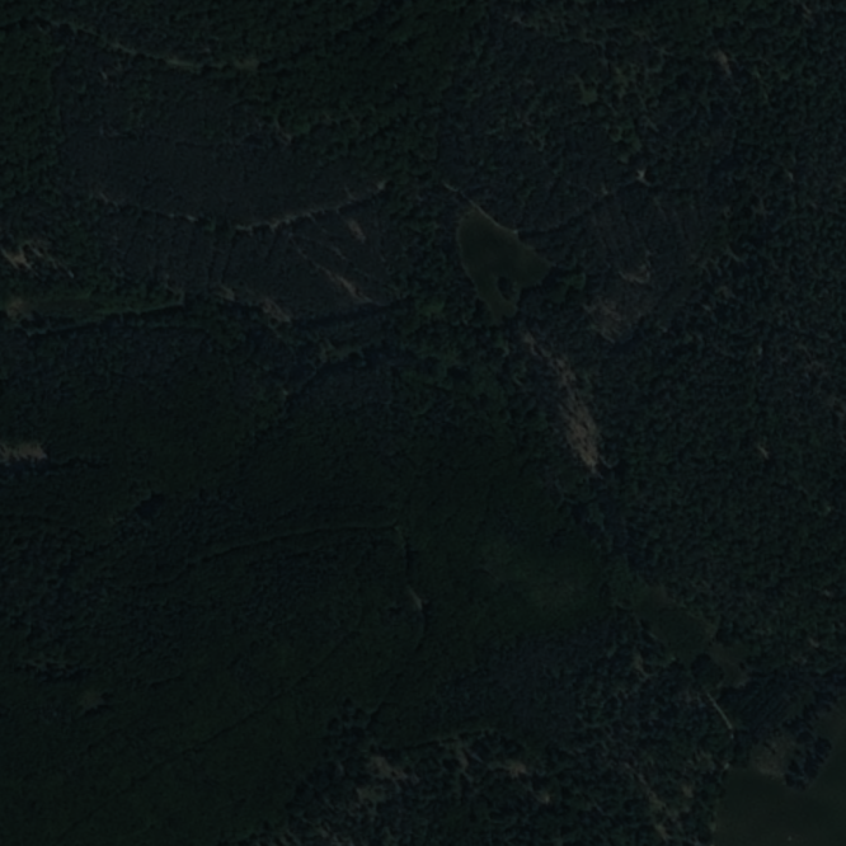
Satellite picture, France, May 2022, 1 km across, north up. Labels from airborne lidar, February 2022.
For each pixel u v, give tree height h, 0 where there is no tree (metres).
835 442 26
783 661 21
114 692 15
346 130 10
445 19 32
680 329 25
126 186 18
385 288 11
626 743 28
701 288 13
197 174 18
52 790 15
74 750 13
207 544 30
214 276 18
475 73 10
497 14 12
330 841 11
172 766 15
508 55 11
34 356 23
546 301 19
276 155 14
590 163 13
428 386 21
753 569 17
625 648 24
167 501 27
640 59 12
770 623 27
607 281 20
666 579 27
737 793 0
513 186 11
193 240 15
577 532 20
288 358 32
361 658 17
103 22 27
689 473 28
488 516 17
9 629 22
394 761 33
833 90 18
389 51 30
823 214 27
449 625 20
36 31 28
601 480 26
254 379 25
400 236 16
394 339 13
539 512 20
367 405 18
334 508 30
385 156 23
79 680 20
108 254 28
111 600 24
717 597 28
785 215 32
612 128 7
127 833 18
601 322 17
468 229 0
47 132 26
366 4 31
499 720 17
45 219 30
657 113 11
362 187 16
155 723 17
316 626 17
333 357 7
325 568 23
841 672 26
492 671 19
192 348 20
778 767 0
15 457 0
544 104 9
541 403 29
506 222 15
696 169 12
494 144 11
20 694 15
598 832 27
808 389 22
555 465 31
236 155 15
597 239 17
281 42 28
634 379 29
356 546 22
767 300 31
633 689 34
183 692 14
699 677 13
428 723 16
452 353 15
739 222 12
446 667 20
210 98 13
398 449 16
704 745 24
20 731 15
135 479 23
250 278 14
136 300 26
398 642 21
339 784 28
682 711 11
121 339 21
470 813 14
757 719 17
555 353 31
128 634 25
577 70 12
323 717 13
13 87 29
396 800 10
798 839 0
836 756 0
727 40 27
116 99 12
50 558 16
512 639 15
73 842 17
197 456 21
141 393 21
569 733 15
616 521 26
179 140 15
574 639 16
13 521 24
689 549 29
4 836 16
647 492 24
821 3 29
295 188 15
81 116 9
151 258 15
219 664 12
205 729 15
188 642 23
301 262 14
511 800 10
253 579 24
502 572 7
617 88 15
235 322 20
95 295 27
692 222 17
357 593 16
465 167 28
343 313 14
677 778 32
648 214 17
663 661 22
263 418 21
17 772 15
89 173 20
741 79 28
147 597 27
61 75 16
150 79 14
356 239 14
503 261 0
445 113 13
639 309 18
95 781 19
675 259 18
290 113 24
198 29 21
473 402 21
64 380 18
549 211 13
